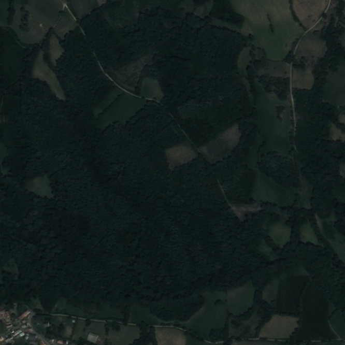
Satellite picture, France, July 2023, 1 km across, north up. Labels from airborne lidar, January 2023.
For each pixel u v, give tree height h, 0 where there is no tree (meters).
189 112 32
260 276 18
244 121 20
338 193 0
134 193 14
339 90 0
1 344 0
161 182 14
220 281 22
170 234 17
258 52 0
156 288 21
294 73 0
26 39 0
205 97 15
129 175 24
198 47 16
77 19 10
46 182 0
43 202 21
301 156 14
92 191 22
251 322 0
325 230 0
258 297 18
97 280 25
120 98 10
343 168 0
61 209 24
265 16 0
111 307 12
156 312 15
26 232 26
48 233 32
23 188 23
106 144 18
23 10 13
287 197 0
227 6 9
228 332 13
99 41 18
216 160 0
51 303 13
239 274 22
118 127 23
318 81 17
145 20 21
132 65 0
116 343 0
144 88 0
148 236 23
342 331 0
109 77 11
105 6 8
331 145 27
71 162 10
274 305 14
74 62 17
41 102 18
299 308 13
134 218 22
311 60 0
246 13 0
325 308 0
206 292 16
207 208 18
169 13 9
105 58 15
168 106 19
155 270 23
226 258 22
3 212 27
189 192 12
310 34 0
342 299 18
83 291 23
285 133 0
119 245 24
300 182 12
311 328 0
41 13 0
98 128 10
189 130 7
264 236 25
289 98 0
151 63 0
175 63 17
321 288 12
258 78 10
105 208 27
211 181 8
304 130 9
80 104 9
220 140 0
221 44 18
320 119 20
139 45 17
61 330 10
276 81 7
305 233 0
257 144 0
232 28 0
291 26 0
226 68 20
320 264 26
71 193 26
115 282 28
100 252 18
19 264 21
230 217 19
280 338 0
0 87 15
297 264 21
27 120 14
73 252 20
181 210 19
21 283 9
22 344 0
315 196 15
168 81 13
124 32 6
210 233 16
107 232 24
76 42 18
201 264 20
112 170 15
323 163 19
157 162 14
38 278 18
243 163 19
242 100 7
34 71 0
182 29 24
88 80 13
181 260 22
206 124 7
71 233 16
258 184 0
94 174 20
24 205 20
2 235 17
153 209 22
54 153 15
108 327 13
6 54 0
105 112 11
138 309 0
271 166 9
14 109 6
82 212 25
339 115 0
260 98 0
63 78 13
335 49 8
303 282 0
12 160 13
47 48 21
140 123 20
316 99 20
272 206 23
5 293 23
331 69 14
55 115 18
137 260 12
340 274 26
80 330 0
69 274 22
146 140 16
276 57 0
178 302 18
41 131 17
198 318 0
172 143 21
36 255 19
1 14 0
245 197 9
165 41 20
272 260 0
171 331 0
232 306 0
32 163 22
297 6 0
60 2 0
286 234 0
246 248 20
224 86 17
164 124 14
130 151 19
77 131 28
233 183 10
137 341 14
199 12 0
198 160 14
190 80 15
